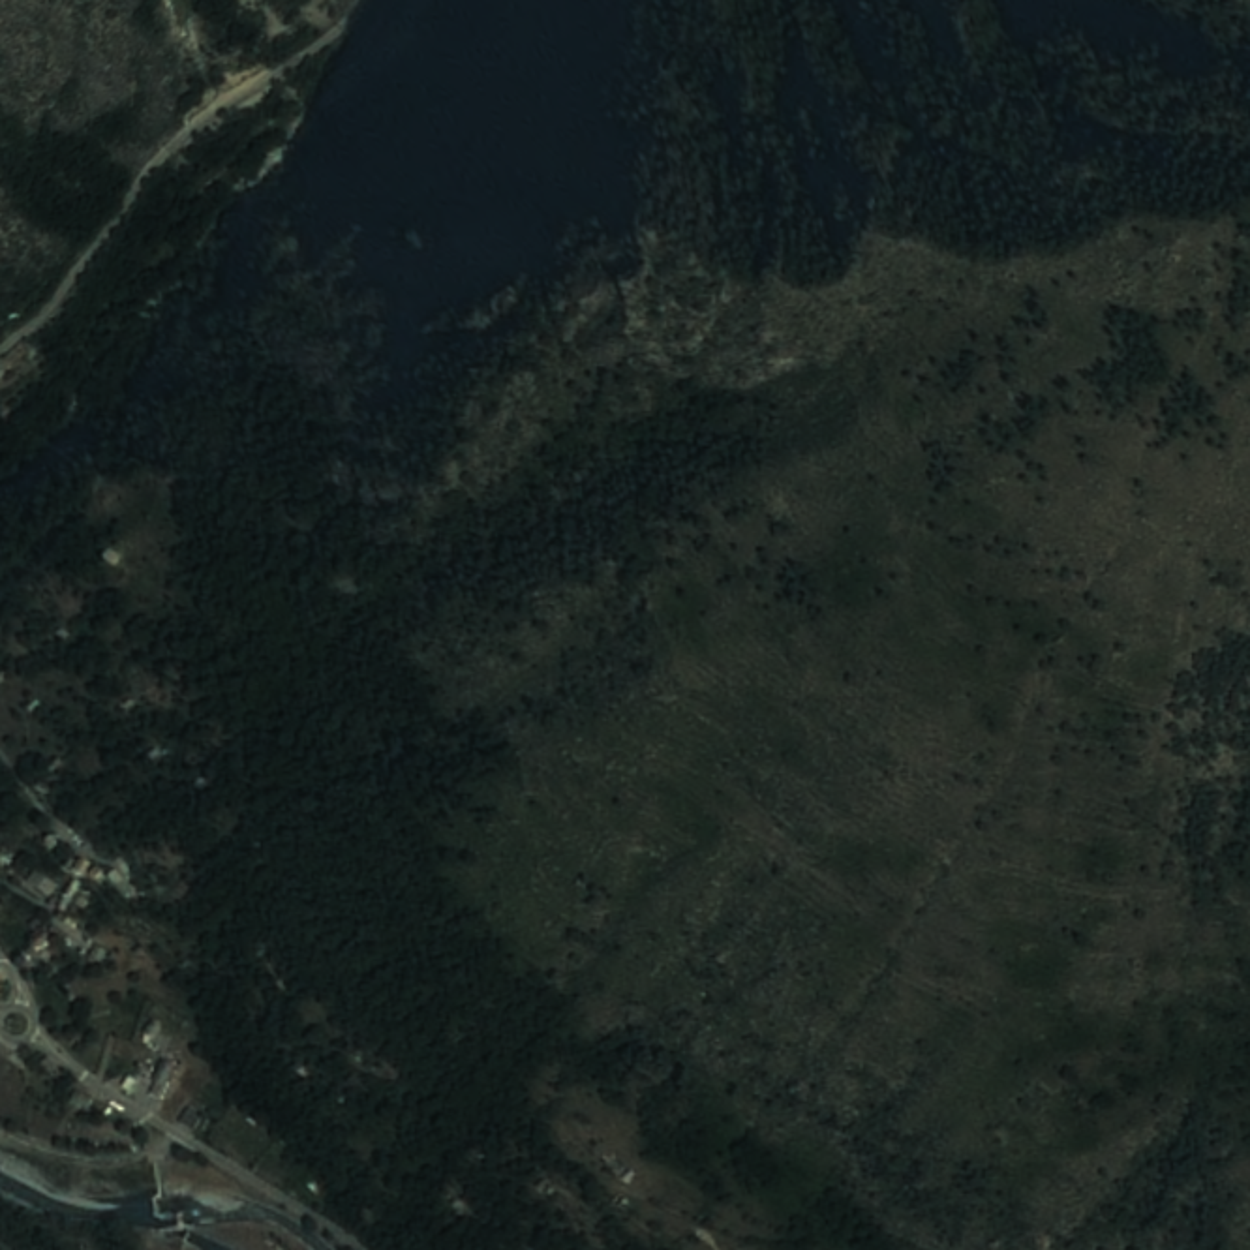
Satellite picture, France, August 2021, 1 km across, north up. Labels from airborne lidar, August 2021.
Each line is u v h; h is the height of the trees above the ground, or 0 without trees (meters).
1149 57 7
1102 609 8
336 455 9
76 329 13
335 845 13
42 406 18
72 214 22
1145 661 0
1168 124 10
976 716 0
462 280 9
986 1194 13
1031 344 11
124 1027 0
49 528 10
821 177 7
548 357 7
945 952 0
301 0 11
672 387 7
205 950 11
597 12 7
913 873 0
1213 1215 8
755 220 23
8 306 7
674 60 16
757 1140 6
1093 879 7
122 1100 0
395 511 12
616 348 5
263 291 6
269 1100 13
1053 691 0
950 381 19
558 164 8
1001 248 15
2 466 15
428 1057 11
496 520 17
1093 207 20
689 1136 10
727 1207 10
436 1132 7
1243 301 11
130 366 19
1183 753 9
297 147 10
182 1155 17
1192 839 12
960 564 0
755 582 10
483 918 7
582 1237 7
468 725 9
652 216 10
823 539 0
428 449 9
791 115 9
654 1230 11
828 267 9
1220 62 18
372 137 7
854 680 10
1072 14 7
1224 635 8
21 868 11
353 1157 11
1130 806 9
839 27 12
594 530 12
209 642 13
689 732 0
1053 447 0
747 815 0
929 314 7
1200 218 13
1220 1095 7
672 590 0
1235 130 19
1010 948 0
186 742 11
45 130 19
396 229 9
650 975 0
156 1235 0
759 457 13
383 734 11
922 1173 11
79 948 0
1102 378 17
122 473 10
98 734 7
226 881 10
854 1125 6
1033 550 11
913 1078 6
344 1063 10
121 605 16
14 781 11
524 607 10
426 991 8
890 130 7
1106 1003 0
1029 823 0
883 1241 12
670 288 6
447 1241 13
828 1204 9
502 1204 13
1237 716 7
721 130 14
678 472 16
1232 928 7
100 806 10
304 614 10
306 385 8
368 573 11
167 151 0
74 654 15
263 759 13
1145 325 20
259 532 17
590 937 11
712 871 0
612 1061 11
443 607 10
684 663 0
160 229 16
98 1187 0
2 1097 0
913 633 0
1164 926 0
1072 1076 12
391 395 6
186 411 17
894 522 0
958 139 11
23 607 8
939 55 6
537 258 13
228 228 19
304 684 11
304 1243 0
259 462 17
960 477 12
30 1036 0
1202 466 0
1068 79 7
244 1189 0
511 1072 15
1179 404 14
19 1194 0
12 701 0
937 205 14
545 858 0
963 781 7
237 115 13
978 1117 0
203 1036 8
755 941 7
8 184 13
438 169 11
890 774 8
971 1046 0
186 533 13
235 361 12
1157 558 0
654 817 0
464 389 8
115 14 9
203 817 17
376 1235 12
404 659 9
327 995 12
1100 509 0
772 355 8
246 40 17
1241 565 6
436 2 15
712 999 7
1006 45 15
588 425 12
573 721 7
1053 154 10
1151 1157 9
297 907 14
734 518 13
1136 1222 14
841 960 0
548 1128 9
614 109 6
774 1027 6
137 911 8
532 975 9
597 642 6
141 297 21
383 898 19
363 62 9
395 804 16
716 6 7
